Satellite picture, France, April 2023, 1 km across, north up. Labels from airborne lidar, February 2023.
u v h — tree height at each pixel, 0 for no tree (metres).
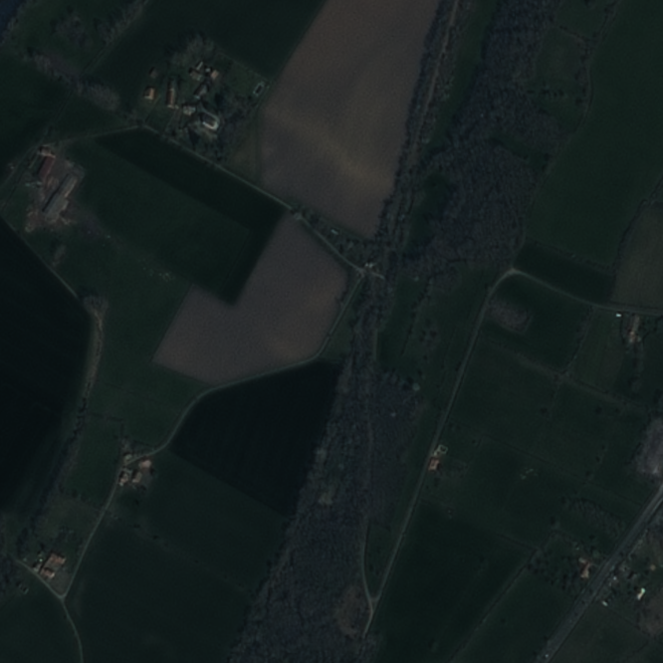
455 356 0
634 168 0
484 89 21
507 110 12
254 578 0
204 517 0
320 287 0
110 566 0
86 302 28
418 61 0
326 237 14
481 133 15
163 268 0
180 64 23
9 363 0
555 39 0
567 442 0
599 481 0
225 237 0
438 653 0
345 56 0
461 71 0
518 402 0
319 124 0
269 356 0
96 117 0
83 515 0
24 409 0
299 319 0
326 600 8
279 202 0
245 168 0
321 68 0
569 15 0
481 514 0
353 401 12
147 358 0
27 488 0
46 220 0
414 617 0
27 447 0
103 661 0
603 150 0
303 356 0
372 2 0
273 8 0
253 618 13
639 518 0
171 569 0
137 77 0
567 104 0
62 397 0
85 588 0
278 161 0
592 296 0
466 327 0
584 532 0
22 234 9
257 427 0
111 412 0
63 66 0
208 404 0
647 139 0
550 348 0
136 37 0
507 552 0
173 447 0
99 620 0
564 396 0
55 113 0
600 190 0
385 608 0
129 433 0
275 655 18
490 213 20
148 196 0
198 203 0
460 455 0
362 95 0
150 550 0
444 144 0
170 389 0
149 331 0
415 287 0
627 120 0
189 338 0
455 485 0
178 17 0
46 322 0
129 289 0
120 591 0
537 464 0
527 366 0
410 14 0
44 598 0
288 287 0
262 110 0
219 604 0
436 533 0
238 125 22
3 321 0
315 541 17
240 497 0
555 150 11
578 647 0
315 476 10
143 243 0
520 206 17
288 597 13
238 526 0
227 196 0
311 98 0
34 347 0
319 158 0
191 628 0
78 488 0
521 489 0
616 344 0
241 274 0
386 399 15
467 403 0
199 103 8
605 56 0
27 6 15
